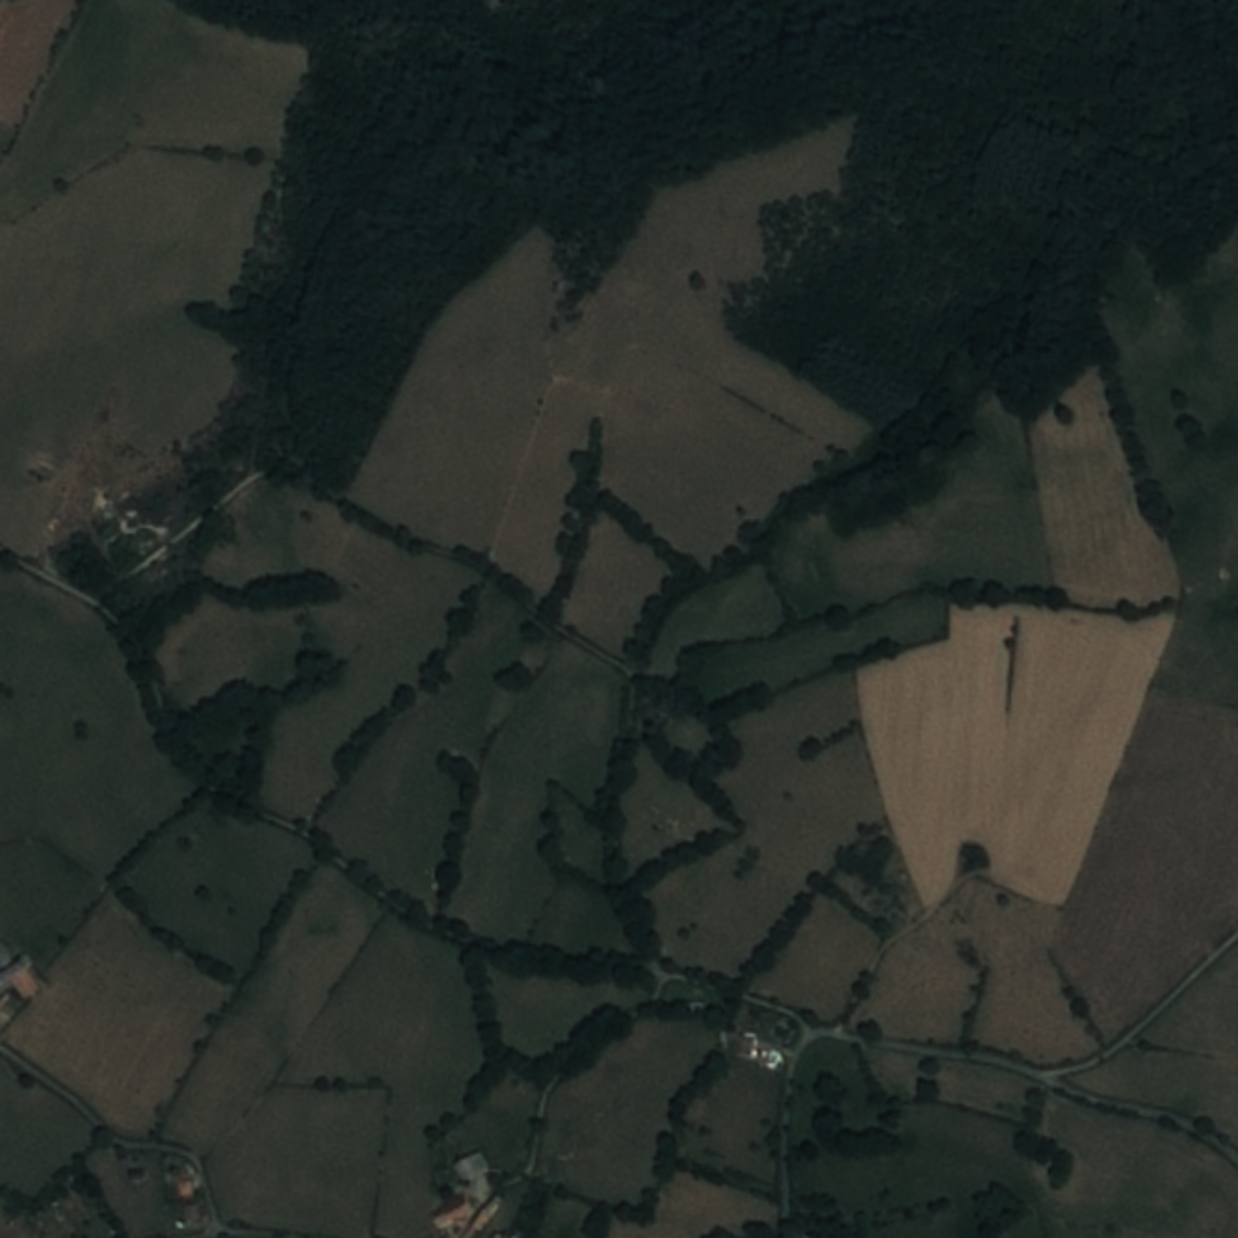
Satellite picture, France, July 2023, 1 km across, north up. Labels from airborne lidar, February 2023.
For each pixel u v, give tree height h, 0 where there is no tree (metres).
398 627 0
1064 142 35
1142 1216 0
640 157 19
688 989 0
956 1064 0
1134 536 0
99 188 0
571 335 0
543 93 12
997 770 0
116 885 12
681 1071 0
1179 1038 0
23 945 0
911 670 0
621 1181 0
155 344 0
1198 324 0
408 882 0
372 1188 0
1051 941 0
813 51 18
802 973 0
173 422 0
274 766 0
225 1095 0
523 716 0
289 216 8
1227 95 15
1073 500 0
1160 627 0
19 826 0
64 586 0
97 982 0
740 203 0
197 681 0
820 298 12
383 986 0
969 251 13
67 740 0
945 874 0
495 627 0
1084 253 22
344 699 0
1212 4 14
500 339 0
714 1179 10
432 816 0
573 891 0
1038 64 20
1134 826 0
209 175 0
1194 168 14
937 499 0
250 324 17
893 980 0
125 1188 0
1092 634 0
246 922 0
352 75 15
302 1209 0
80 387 0
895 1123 18
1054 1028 0
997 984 0
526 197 14
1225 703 0
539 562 0
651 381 0
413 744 0
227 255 0
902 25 19
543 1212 6
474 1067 0
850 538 0
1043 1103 19
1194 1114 0
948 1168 0
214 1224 0
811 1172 0
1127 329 0
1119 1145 0
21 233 0
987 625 0
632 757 13
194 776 23
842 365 24
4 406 0
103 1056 0
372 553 0
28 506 0
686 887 0
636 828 0
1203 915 0
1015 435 0
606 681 0
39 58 0
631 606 0
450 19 11
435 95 15
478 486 0
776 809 0
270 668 0
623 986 14
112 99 0
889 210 16
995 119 14
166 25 0
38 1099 0
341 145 15
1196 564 0
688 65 25
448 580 0
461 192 10
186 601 13
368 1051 0
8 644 0
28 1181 0
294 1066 0
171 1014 0
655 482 0
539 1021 0
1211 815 0
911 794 0
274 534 0
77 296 0
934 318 9
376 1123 0
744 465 0
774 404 0
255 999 0
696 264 0
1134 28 28
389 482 0
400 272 10
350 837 0
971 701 0
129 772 0
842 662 11
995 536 0
